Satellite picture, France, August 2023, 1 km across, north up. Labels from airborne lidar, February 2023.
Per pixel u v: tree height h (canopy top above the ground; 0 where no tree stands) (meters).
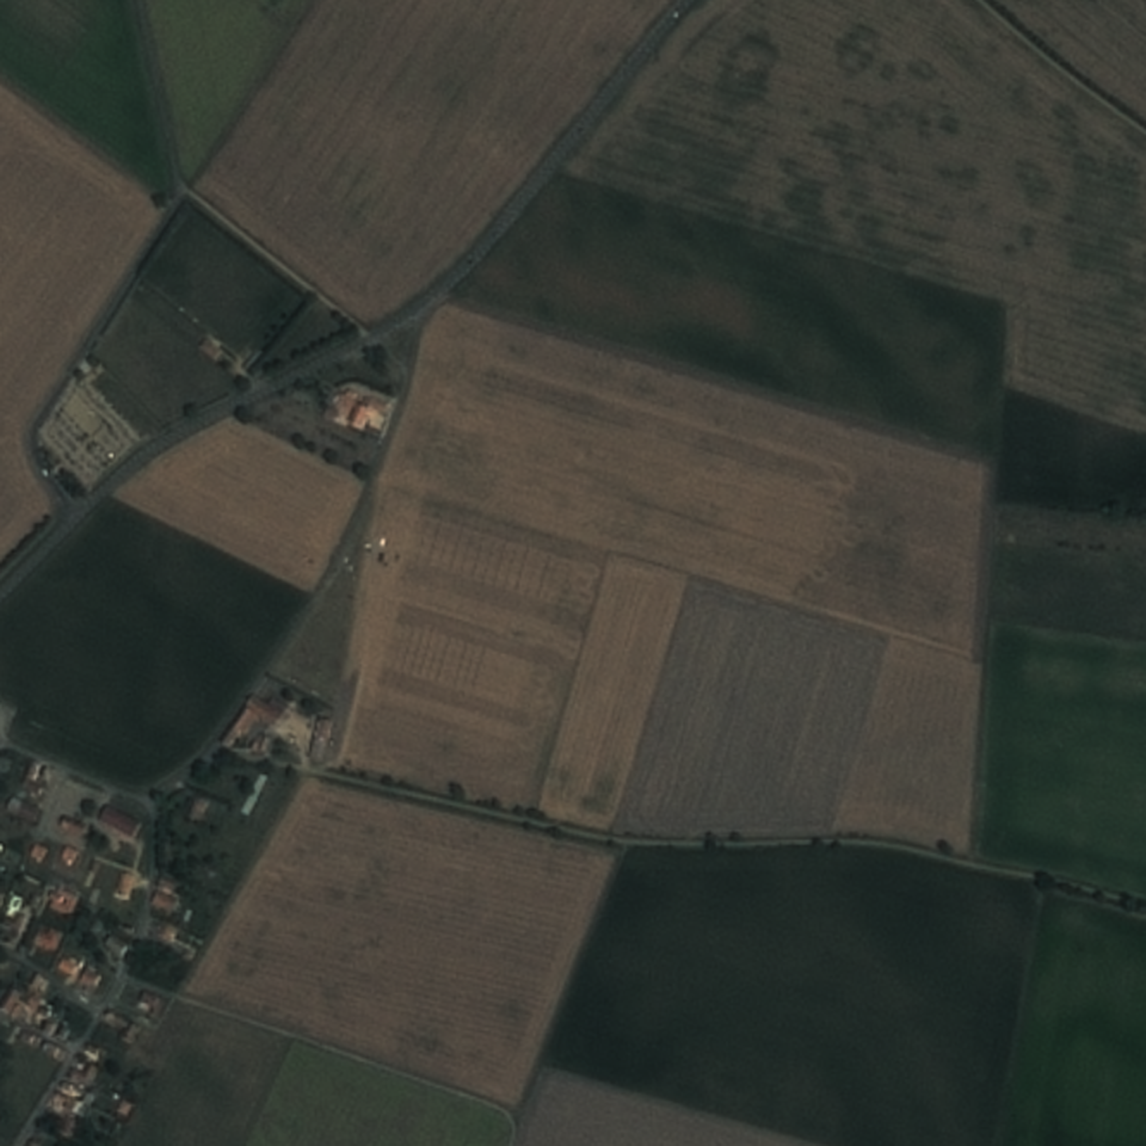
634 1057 0
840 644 0
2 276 0
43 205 0
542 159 0
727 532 0
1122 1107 0
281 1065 0
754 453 0
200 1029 0
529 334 0
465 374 0
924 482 0
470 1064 0
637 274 0
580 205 0
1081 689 0
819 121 0
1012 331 0
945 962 0
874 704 0
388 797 0
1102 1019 0
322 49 0
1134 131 0
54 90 0
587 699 0
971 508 0
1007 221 0
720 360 0
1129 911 17
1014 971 0
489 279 0
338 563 0
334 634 0
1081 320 0
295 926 0
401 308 0
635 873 0
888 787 0
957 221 0
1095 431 0
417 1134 0
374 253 0
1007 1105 0
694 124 0
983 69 0
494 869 0
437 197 0
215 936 0
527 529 0
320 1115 0
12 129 0
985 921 0
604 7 0
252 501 0
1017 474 0
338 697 0
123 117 0
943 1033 0
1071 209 0
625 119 0
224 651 0
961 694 0
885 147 0
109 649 0
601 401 0
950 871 0
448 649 0
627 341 0
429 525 0
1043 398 0
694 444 0
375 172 0
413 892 0
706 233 0
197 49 0
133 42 0
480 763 0
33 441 0
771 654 0
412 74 0
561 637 0
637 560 0
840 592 0
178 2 0
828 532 0
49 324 0
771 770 0
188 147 0
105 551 0
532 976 0
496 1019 0
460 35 0
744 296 0
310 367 0
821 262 0
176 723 0
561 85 0
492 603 0
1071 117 0
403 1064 0
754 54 0
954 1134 0
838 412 0
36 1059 0
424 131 0
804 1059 0
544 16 0
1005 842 0
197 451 0
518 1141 0
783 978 0
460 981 0
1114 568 0
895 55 0
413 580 0
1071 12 0
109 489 0
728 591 0
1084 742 0
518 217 0
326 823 0
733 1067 0
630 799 0
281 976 0
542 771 0
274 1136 0
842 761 0
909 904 0
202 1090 0
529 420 0
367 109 0
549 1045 0
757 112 0
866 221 0
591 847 0
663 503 0
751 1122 0
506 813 0
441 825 0
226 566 0
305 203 0
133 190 0
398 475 0
